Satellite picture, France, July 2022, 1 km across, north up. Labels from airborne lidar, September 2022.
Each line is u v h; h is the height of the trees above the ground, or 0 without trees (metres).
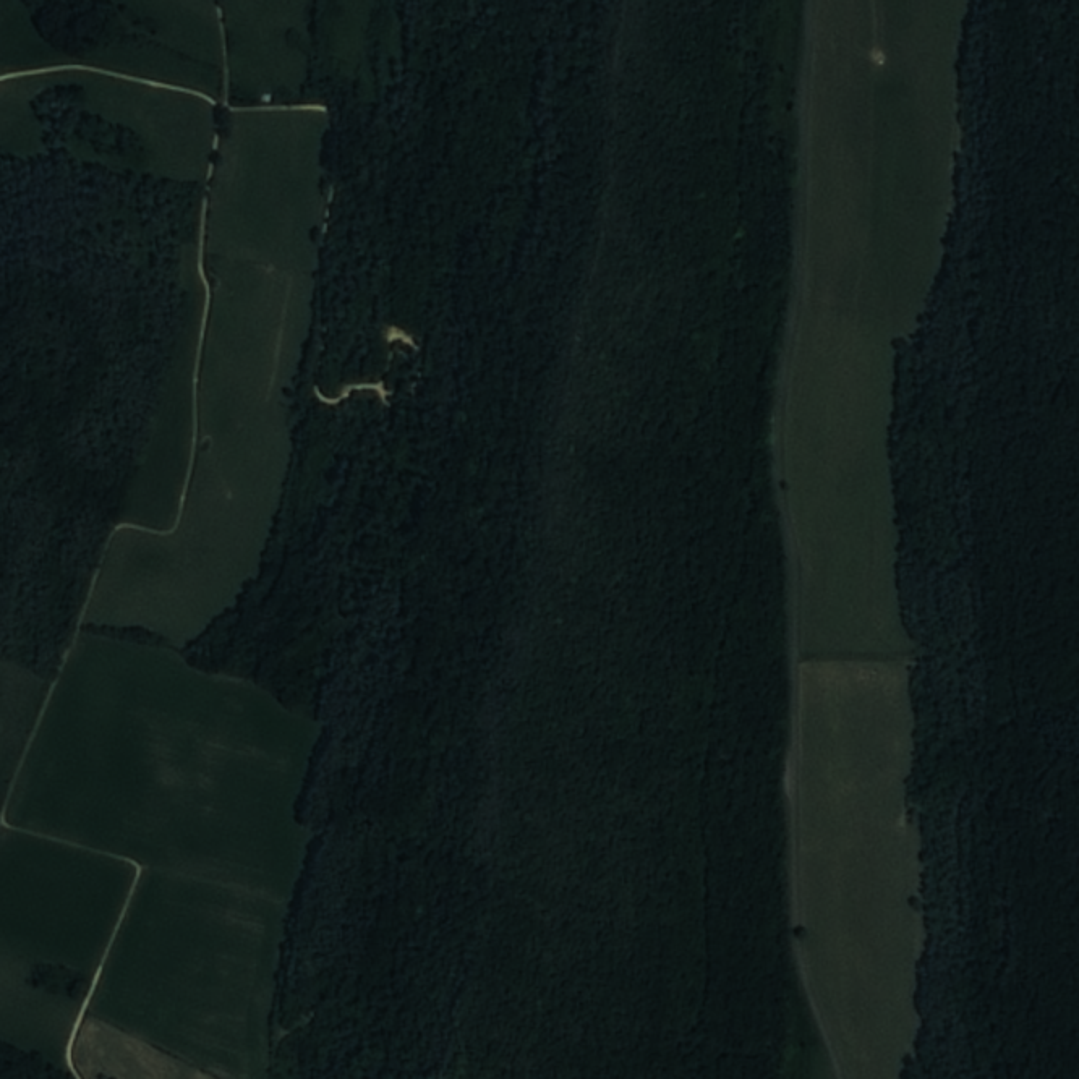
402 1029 14
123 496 17
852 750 0
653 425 12
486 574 11
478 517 18
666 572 13
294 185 0
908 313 0
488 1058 13
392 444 20
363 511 17
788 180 18
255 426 0
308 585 19
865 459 0
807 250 0
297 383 8
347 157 29
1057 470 19
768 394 19
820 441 0
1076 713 23
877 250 0
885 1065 0
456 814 8
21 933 0
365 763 17
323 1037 10
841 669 0
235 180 0
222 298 0
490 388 13
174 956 0
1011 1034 19
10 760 0
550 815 6
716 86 16
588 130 13
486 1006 6
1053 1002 14
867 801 0
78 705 0
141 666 0
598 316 6
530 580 7
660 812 6
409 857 19
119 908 0
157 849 0
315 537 11
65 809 0
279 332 0
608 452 11
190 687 0
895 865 0
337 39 0
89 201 27
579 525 6
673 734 14
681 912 6
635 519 8
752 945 14
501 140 7
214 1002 0
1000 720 12
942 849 7
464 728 11
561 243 17
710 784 15
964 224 14
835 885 0
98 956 0
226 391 0
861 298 0
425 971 10
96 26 32
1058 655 19
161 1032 0
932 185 0
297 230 0
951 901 8
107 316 20
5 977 0
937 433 18
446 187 15
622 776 11
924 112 0
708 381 7
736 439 18
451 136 16
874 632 0
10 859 0
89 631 7
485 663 11
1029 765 15
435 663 21
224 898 0
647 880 9
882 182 0
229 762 0
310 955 20
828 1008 0
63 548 23
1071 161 24
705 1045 21
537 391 10
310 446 17
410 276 8
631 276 10
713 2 13
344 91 13
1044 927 14
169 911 0
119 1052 0
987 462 18
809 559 0
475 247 24
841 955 0
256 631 19
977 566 19
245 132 0
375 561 20
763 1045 17
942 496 8
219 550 0
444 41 14
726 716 13
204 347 0
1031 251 21
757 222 17
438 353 10
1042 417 19
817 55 0
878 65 0
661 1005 14
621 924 11
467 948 12
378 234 11
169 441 0
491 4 17
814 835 0
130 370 22
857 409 0
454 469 17
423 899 19
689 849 9
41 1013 0
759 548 19
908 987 0
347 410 14
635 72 9
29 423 13
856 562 0
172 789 0
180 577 0
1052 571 16
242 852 0
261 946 0
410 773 21
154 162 0
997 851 14
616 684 10
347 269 19
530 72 11
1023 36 17
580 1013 12
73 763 0
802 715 0
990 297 18
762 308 18
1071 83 22
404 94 22
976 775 18
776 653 18
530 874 8
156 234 15
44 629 14
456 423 14
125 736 0
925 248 0
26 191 13
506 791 8
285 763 0
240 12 0
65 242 19
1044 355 19
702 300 14
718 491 15
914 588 18
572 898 10
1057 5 18
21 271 20
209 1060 0
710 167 20
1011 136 18
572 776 13
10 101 0
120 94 0
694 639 16
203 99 0
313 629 18
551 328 10
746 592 18
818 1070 0
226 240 0
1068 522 18
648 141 13
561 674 9
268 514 0
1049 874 15
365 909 23
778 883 16
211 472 0
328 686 20
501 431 18
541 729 9
